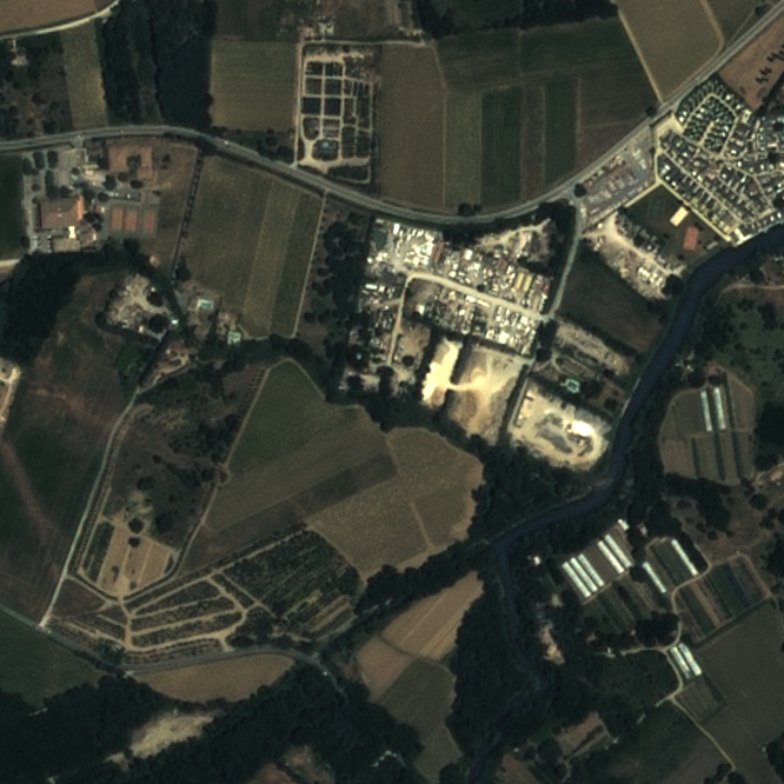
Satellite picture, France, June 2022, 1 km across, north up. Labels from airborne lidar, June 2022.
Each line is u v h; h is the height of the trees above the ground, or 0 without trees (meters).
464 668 17
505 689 17
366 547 0
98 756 9
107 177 8
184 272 13
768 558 6
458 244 13
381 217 6
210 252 0
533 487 14
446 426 9
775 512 10
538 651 15
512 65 0
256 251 0
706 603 0
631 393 7
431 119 0
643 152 0
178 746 12
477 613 19
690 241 0
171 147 0
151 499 8
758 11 8
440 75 0
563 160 0
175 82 18
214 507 0
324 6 0
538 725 12
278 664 0
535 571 16
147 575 0
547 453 0
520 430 0
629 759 0
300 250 0
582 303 0
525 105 0
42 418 0
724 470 6
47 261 13
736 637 0
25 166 8
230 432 11
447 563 13
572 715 9
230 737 16
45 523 0
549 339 23
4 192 0
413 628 0
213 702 12
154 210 0
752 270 6
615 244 0
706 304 7
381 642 0
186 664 0
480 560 16
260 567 6
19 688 0
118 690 15
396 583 22
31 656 0
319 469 0
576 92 0
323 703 6
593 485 0
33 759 14
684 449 0
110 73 12
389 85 0
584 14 14
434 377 0
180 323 8
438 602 0
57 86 0
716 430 6
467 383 0
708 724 0
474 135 0
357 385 17
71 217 0
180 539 0
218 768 26
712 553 0
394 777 15
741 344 8
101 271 6
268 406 0
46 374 0
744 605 0
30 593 0
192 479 9
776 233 0
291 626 6
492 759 9
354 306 9
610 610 7
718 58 0
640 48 0
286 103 0
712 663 0
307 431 0
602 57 0
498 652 21
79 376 0
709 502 11
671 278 10
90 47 0
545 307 6
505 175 0
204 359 9
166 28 14
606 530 7
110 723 17
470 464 0
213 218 0
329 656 11
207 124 14
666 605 7
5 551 0
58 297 14
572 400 11
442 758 0
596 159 0
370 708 20
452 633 0
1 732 18
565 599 13
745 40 0
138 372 6
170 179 0
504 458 12
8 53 7
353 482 0
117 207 0
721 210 0
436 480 0
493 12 0
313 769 0
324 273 12
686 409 0
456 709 10
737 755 0
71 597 0
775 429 13
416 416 7
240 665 0
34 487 0
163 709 6
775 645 0
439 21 15
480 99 0
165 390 10
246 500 0
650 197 0
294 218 0
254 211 0
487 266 0
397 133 0
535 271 14
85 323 0
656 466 16
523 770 0
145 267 12
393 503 0
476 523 15
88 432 0
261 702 10
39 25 0
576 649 21
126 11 15
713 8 0
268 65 0
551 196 0
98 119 0
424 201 0
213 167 0
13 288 16
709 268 0
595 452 0
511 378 0
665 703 6
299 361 6
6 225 0
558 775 12
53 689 0
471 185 0
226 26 0
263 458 0
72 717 18
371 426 0
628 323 0
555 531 16
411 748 19
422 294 0
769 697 0
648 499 16
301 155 7
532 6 18
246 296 0
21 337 15
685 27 0
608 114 0
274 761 7
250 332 0
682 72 0
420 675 0
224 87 0
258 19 0
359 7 0
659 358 0
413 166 0
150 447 0
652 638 16
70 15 0
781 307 0
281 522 0
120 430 6
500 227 15
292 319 0
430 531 0
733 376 0
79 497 0
